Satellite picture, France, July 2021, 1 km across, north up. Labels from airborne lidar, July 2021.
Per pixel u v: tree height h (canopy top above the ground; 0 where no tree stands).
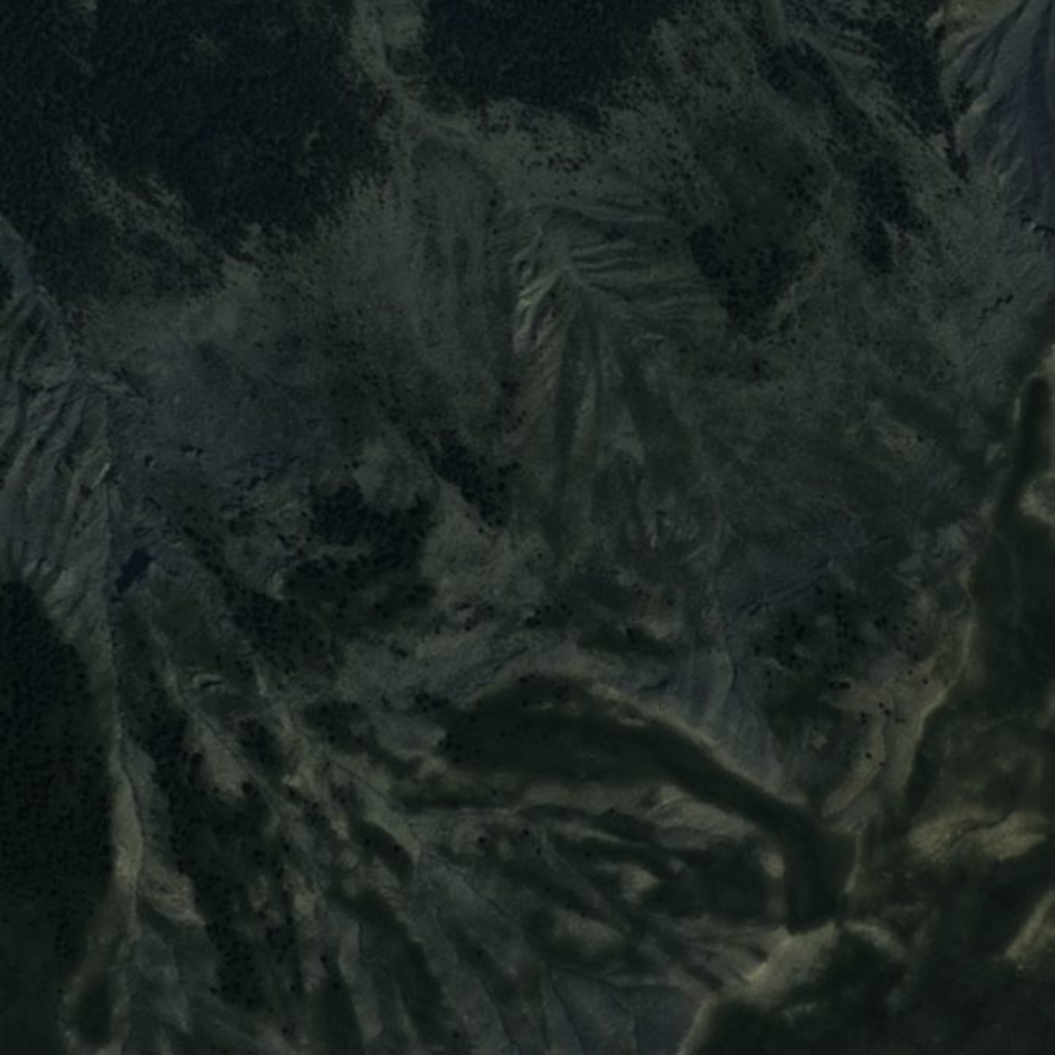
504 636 0
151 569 0
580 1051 0
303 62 9
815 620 0
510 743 0
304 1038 0
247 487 0
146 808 0
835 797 0
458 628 0
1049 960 0
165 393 0
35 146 10
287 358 0
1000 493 0
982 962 0
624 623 0
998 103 0
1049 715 0
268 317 0
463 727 0
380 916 0
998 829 0
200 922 0
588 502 0
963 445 0
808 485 0
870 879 0
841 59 0
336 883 0
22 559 0
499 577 0
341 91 7
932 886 0
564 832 0
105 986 0
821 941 0
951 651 0
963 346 0
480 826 0
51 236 9
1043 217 0
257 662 0
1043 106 0
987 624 0
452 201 0
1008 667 0
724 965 0
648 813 0
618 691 0
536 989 0
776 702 0
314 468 0
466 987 0
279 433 0
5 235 0
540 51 12
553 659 0
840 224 0
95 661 0
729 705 0
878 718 0
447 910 0
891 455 0
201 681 0
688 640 0
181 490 0
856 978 0
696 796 0
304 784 0
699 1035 0
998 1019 0
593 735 0
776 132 0
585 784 0
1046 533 0
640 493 0
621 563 0
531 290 0
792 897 0
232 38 7
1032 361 0
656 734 0
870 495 0
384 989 0
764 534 0
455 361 0
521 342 0
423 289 0
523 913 0
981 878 0
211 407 0
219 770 0
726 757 0
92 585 0
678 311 0
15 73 12
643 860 0
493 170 0
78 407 0
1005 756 0
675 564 0
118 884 0
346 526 12
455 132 0
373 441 0
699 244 8
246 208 15
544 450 0
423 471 0
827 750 0
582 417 0
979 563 0
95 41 7
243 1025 0
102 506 0
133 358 0
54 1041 0
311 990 0
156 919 0
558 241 0
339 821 0
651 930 0
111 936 0
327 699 0
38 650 11
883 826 0
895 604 0
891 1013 0
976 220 0
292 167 13
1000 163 0
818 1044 0
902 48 13
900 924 0
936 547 0
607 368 0
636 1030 0
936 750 0
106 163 9
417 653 0
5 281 11
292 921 10
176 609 0
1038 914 0
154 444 0
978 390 0
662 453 0
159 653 0
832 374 0
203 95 10
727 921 0
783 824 0
